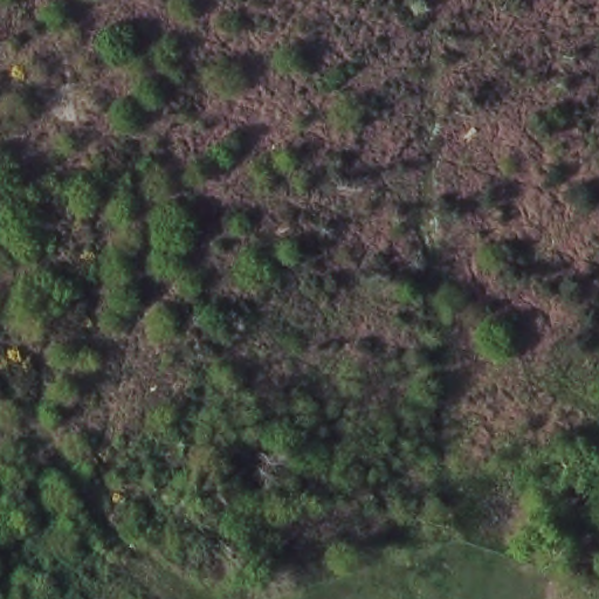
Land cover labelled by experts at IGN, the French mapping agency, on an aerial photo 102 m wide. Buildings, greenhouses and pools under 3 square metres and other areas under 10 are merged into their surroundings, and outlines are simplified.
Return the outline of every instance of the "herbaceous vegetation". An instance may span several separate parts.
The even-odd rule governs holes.
[[[438,545],[426,545],[424,541],[414,545],[388,543],[377,557],[360,555],[346,543],[337,543],[325,550],[328,569],[318,580],[297,583],[290,573],[278,573],[267,590],[255,587],[250,592],[250,599],[562,599],[555,583],[541,569],[519,564],[508,555],[508,529],[480,526],[473,531],[459,531],[456,538],[440,541]]]

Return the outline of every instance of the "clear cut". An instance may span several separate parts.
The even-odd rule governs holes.
[[[16,269],[5,269],[0,274],[0,307],[9,300],[9,290],[19,278],[21,264]]]
[[[363,7],[372,0],[187,0],[194,16],[187,26],[183,26],[166,14],[166,0],[56,0],[63,7],[63,14],[80,28],[73,42],[61,44],[58,37],[49,30],[44,35],[28,33],[30,21],[37,16],[37,7],[51,5],[54,0],[0,0],[0,98],[5,94],[21,96],[30,108],[30,115],[19,124],[14,140],[0,138],[0,157],[12,154],[21,183],[35,187],[37,204],[28,211],[28,236],[33,241],[51,239],[56,243],[54,255],[47,255],[47,250],[40,250],[35,255],[37,264],[58,276],[63,285],[73,290],[73,297],[63,304],[58,316],[44,323],[42,337],[33,346],[26,346],[19,332],[9,335],[0,325],[0,405],[9,402],[19,407],[21,447],[26,452],[28,466],[33,468],[30,482],[26,487],[26,517],[44,531],[54,522],[40,487],[47,473],[58,473],[73,489],[75,498],[84,505],[105,548],[110,548],[119,557],[115,566],[122,564],[131,569],[133,578],[145,580],[150,592],[159,599],[173,599],[178,585],[166,576],[166,571],[159,564],[154,564],[140,550],[131,548],[119,538],[112,524],[112,515],[105,510],[105,498],[110,496],[115,503],[124,498],[138,505],[140,496],[145,494],[143,489],[136,489],[131,484],[129,470],[117,463],[115,447],[122,442],[133,442],[133,435],[145,428],[147,412],[152,407],[171,409],[173,426],[180,426],[190,416],[185,377],[178,367],[171,367],[168,363],[173,351],[183,351],[190,344],[199,325],[192,316],[190,304],[175,295],[175,290],[166,281],[154,278],[150,274],[147,257],[152,211],[143,187],[143,173],[138,171],[140,157],[161,164],[168,178],[173,201],[194,222],[190,234],[190,248],[185,253],[185,267],[197,274],[201,300],[208,307],[215,307],[218,311],[232,311],[241,318],[236,323],[236,330],[229,332],[232,344],[227,346],[215,342],[211,351],[227,367],[243,377],[243,386],[255,395],[257,409],[271,402],[274,388],[278,388],[281,379],[290,372],[309,372],[316,384],[332,386],[337,381],[335,374],[342,358],[351,367],[360,367],[363,391],[358,395],[358,407],[377,405],[384,412],[398,407],[398,400],[405,393],[386,384],[388,353],[398,346],[402,346],[405,353],[416,353],[416,349],[424,346],[424,342],[416,339],[419,328],[414,323],[416,316],[424,316],[426,311],[419,300],[407,304],[386,292],[367,292],[358,283],[363,260],[367,255],[384,253],[384,260],[391,271],[388,278],[412,283],[416,292],[435,292],[438,288],[447,285],[461,295],[461,302],[454,307],[452,332],[440,342],[447,349],[452,349],[452,360],[456,370],[440,372],[433,377],[433,381],[438,384],[438,393],[454,405],[452,414],[461,419],[466,428],[461,442],[452,442],[449,454],[440,456],[433,463],[435,480],[452,482],[456,477],[487,477],[484,461],[491,454],[501,454],[508,461],[519,461],[529,449],[536,449],[550,440],[550,433],[543,426],[548,426],[550,431],[566,433],[566,428],[590,424],[592,419],[590,414],[566,405],[559,395],[552,398],[550,393],[545,393],[541,384],[533,384],[536,374],[545,370],[548,358],[562,356],[555,344],[564,339],[576,339],[585,344],[585,349],[587,353],[599,349],[599,110],[594,112],[592,126],[576,126],[573,110],[576,103],[587,101],[590,96],[599,98],[599,0],[395,0],[400,21],[395,23],[391,19],[367,21],[372,12]],[[215,23],[213,23],[213,19],[215,19],[215,16],[225,16],[225,19],[234,19],[234,21],[236,21],[236,33],[234,33],[234,35],[222,35],[222,33],[218,33],[218,30],[215,30]],[[112,101],[117,101],[119,96],[131,96],[131,89],[124,82],[124,75],[112,70],[101,58],[94,44],[98,28],[112,26],[131,28],[133,54],[140,58],[150,84],[159,94],[157,108],[147,108],[136,119],[131,136],[115,133],[108,122]],[[173,66],[183,70],[178,82],[159,73],[154,63],[152,49],[159,40],[171,42],[175,47]],[[386,80],[398,80],[398,84],[402,84],[412,94],[407,103],[398,101],[395,108],[386,110],[379,122],[363,124],[358,140],[353,140],[349,133],[330,131],[325,112],[339,103],[337,91],[318,94],[300,77],[274,73],[269,54],[276,44],[283,44],[295,56],[300,56],[300,61],[309,70],[316,73],[325,73],[330,68],[339,68],[346,61],[356,61],[358,75],[342,77],[337,82],[337,91],[344,89],[353,103],[363,91],[379,89]],[[82,77],[77,84],[68,84],[68,66],[77,56],[82,56],[89,63],[91,75]],[[234,98],[208,94],[201,82],[199,73],[220,58],[227,58],[243,75],[243,89]],[[491,75],[498,61],[510,63],[517,73],[536,75],[538,82],[531,89],[526,89]],[[447,91],[452,89],[470,94],[477,101],[477,105],[463,112],[456,101],[449,101]],[[555,105],[564,115],[564,122],[552,124],[536,140],[526,129],[526,117],[538,115],[541,110],[550,110]],[[229,164],[220,166],[211,157],[211,145],[222,143],[227,131],[239,136],[239,147],[234,150]],[[68,157],[49,152],[49,143],[58,133],[66,133],[73,140],[73,150]],[[304,194],[297,194],[285,173],[276,168],[269,147],[292,154],[297,168],[307,175]],[[339,178],[344,183],[339,185],[337,194],[328,194],[321,187],[325,178],[325,154],[339,159]],[[246,168],[248,159],[262,166],[271,183],[260,199],[250,190],[250,175]],[[185,166],[190,161],[199,161],[201,171],[206,173],[201,187],[185,183]],[[94,168],[101,164],[105,178],[94,190],[94,208],[87,218],[70,215],[61,199],[42,180],[44,175],[70,180],[80,173],[80,168]],[[94,281],[82,264],[94,255],[103,255],[105,241],[110,246],[122,246],[119,236],[103,220],[108,213],[108,204],[117,190],[117,183],[124,173],[131,178],[131,227],[138,234],[138,246],[124,260],[124,264],[129,269],[138,302],[133,304],[129,316],[122,316],[119,328],[108,337],[98,325],[98,309],[103,304],[103,281]],[[573,183],[585,185],[590,190],[592,208],[587,213],[580,213],[578,208],[564,201],[564,194]],[[440,222],[440,213],[433,208],[435,201],[440,201],[442,197],[447,197],[452,208],[459,211],[459,218],[454,222]],[[402,232],[395,239],[391,239],[384,229],[384,211],[393,208],[402,218]],[[225,225],[222,225],[225,215],[241,215],[241,218],[246,220],[246,227],[243,227],[243,232],[234,236],[234,234],[232,234],[229,229],[225,229]],[[278,241],[292,241],[297,250],[311,255],[314,278],[316,283],[325,276],[335,278],[335,290],[330,300],[321,304],[297,288],[300,281],[290,264],[281,262],[271,269],[264,297],[250,307],[250,311],[246,311],[234,297],[236,288],[227,276],[236,260],[236,253],[243,248],[255,253],[260,248],[260,241],[276,248]],[[508,288],[503,283],[487,281],[487,276],[475,264],[475,250],[484,248],[487,243],[510,246],[515,250],[512,269],[522,276],[536,276],[545,281],[550,285],[550,295],[543,300],[533,300],[519,288]],[[421,269],[412,269],[407,257],[402,257],[400,250],[407,246],[414,246],[424,255]],[[580,321],[573,318],[559,302],[559,283],[564,278],[576,281],[580,302],[594,316],[594,323],[587,335],[580,330]],[[150,342],[143,323],[145,314],[154,302],[161,309],[166,309],[175,321],[175,330],[164,342]],[[491,307],[494,318],[508,328],[512,353],[505,358],[503,365],[491,365],[475,351],[473,332],[484,321],[480,316],[482,307]],[[300,349],[295,358],[295,370],[285,365],[285,349],[278,344],[283,335],[276,325],[264,321],[267,311],[271,309],[283,311],[290,325],[307,332],[314,330],[307,351]],[[68,381],[77,388],[75,400],[68,405],[58,405],[58,421],[54,424],[54,428],[40,435],[37,407],[47,386],[47,353],[51,344],[63,344],[68,351],[91,351],[98,358],[98,367],[91,372],[68,370]],[[23,370],[30,370],[23,398],[19,398],[9,386],[9,381],[14,379],[14,363]],[[89,477],[80,475],[56,449],[68,431],[84,435],[91,449],[94,470]]]
[[[0,599],[9,599],[9,583],[21,557],[26,555],[26,545],[19,538],[19,533],[7,545],[0,543]]]

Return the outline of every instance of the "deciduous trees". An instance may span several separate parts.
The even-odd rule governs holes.
[[[140,58],[133,54],[131,28],[112,26],[98,28],[94,44],[101,58],[112,70],[124,75],[124,82],[131,89],[131,96],[119,96],[117,101],[112,101],[108,122],[115,133],[131,136],[136,119],[147,108],[157,108],[159,94],[150,84]]]
[[[573,183],[564,194],[564,201],[578,208],[580,213],[587,213],[592,208],[590,190],[585,185]]]
[[[89,63],[82,56],[77,56],[68,66],[68,84],[77,84],[82,77],[91,75]]]
[[[73,140],[66,133],[58,133],[49,143],[49,152],[68,157],[73,150]]]
[[[94,208],[94,190],[105,178],[101,164],[94,168],[80,168],[80,173],[70,180],[44,175],[42,180],[61,199],[70,215],[87,218]]]
[[[220,58],[199,73],[201,82],[208,94],[234,98],[243,89],[243,75],[227,58]]]
[[[533,300],[543,300],[550,295],[550,285],[545,281],[536,276],[522,276],[512,269],[515,250],[510,246],[487,243],[484,248],[475,250],[475,264],[487,276],[487,281],[503,283],[508,288],[519,288]]]
[[[28,33],[44,35],[49,30],[58,37],[61,44],[73,42],[80,28],[63,14],[63,7],[56,0],[54,0],[51,5],[37,7],[37,16],[30,21]]]
[[[384,211],[384,229],[391,239],[395,239],[402,232],[402,218],[393,208]]]
[[[236,21],[234,21],[234,19],[225,19],[225,16],[215,16],[215,19],[213,19],[213,23],[215,23],[215,30],[218,30],[218,33],[222,33],[222,35],[234,35],[234,33],[236,33]]]
[[[0,307],[0,325],[9,335],[19,332],[26,346],[33,346],[42,337],[44,323],[58,316],[63,304],[73,297],[73,290],[63,285],[58,276],[37,264],[35,255],[40,250],[47,250],[47,255],[54,255],[56,243],[51,239],[33,241],[28,236],[28,211],[37,204],[35,187],[21,183],[12,154],[0,157],[0,274],[5,269],[16,269],[21,264],[19,278],[9,290],[9,300]]]
[[[599,110],[599,98],[590,96],[587,101],[576,103],[573,110],[576,126],[592,126],[594,112]]]
[[[129,316],[133,304],[138,302],[129,269],[124,264],[124,260],[138,246],[138,234],[131,227],[131,178],[124,173],[117,183],[117,190],[108,204],[108,213],[103,220],[119,236],[122,246],[110,246],[105,241],[103,255],[94,255],[82,264],[94,281],[103,281],[103,304],[98,309],[98,325],[108,337],[119,328],[122,316]]]
[[[183,26],[187,26],[194,16],[187,0],[166,0],[166,14]]]
[[[290,264],[297,257],[297,250],[292,241],[278,241],[276,248],[260,241],[260,248],[255,253],[243,248],[236,253],[236,260],[227,276],[236,288],[234,297],[246,311],[250,311],[250,307],[264,297],[271,269],[281,262]]]
[[[541,110],[538,115],[526,117],[526,129],[536,140],[552,124],[564,122],[564,115],[555,105],[550,110]]]
[[[459,211],[452,208],[447,197],[442,197],[440,201],[435,201],[433,208],[440,213],[440,222],[454,222],[459,218]]]
[[[175,295],[190,304],[192,316],[199,325],[190,344],[183,351],[173,351],[168,363],[171,367],[178,367],[185,377],[190,416],[180,426],[173,426],[171,409],[152,407],[147,412],[145,428],[133,435],[133,442],[122,442],[115,447],[117,463],[129,470],[131,484],[136,489],[143,489],[145,494],[140,496],[138,505],[124,498],[115,503],[110,496],[105,498],[105,510],[112,515],[112,524],[119,538],[131,548],[140,550],[154,564],[159,564],[166,571],[166,576],[178,585],[194,587],[211,599],[250,599],[250,592],[255,587],[267,590],[278,573],[290,573],[297,583],[318,580],[328,569],[325,550],[337,543],[346,543],[360,555],[377,557],[388,543],[414,545],[424,541],[426,545],[438,545],[440,541],[456,538],[459,531],[473,531],[480,526],[508,529],[508,555],[519,564],[541,569],[555,583],[562,599],[599,599],[599,421],[592,419],[590,424],[566,428],[566,433],[550,431],[548,426],[543,426],[550,433],[550,440],[536,449],[529,449],[519,461],[508,461],[501,454],[491,454],[484,461],[487,477],[456,477],[452,482],[435,480],[433,463],[440,456],[449,454],[452,442],[461,442],[466,428],[461,419],[452,414],[454,405],[438,393],[438,384],[433,381],[433,377],[440,372],[456,370],[452,360],[452,349],[447,349],[440,342],[452,332],[454,307],[461,302],[461,295],[447,285],[438,288],[435,292],[416,292],[412,283],[388,278],[391,271],[384,260],[384,253],[367,255],[363,260],[358,283],[367,292],[386,292],[407,304],[419,300],[426,311],[424,316],[416,316],[414,323],[419,328],[416,339],[424,342],[424,346],[416,349],[416,353],[405,353],[402,346],[398,346],[388,353],[386,384],[405,393],[398,400],[398,407],[384,412],[377,405],[358,407],[358,395],[363,391],[360,367],[351,367],[342,358],[335,374],[337,381],[332,386],[316,384],[309,372],[290,372],[281,379],[278,388],[274,388],[271,402],[257,409],[255,395],[243,386],[243,377],[227,367],[211,351],[215,342],[227,346],[232,344],[229,332],[236,330],[236,323],[241,318],[232,311],[218,311],[215,307],[208,307],[201,300],[197,274],[185,267],[185,253],[190,248],[190,234],[194,222],[173,201],[168,206],[152,211],[147,257],[150,274],[154,278],[166,281],[175,290]]]
[[[307,175],[297,168],[292,154],[269,147],[276,168],[285,173],[297,194],[304,194]]]
[[[47,353],[47,386],[37,407],[40,435],[54,428],[54,424],[58,421],[58,405],[68,405],[75,400],[77,388],[68,381],[68,370],[91,372],[98,367],[98,358],[91,351],[68,351],[63,344],[51,344]]]
[[[316,283],[314,278],[300,281],[297,288],[321,304],[330,300],[335,290],[335,278],[325,276]]]
[[[452,89],[447,91],[449,101],[456,101],[463,112],[477,105],[477,101],[470,94]]]
[[[56,449],[80,475],[89,477],[94,470],[91,449],[84,435],[68,431]]]
[[[295,358],[300,349],[300,342],[295,337],[283,335],[278,344],[285,349],[285,365],[295,370]]]
[[[201,187],[206,173],[201,171],[199,161],[190,161],[185,166],[185,183]]]
[[[505,358],[512,353],[508,328],[494,318],[491,307],[482,307],[480,316],[484,321],[473,332],[475,351],[491,365],[503,365]]]
[[[222,143],[211,145],[211,157],[220,166],[229,164],[234,150],[239,147],[239,136],[227,131]]]
[[[559,302],[573,318],[580,321],[580,330],[587,335],[594,323],[594,316],[580,302],[576,281],[564,278],[559,283]]]
[[[585,349],[585,344],[576,339],[564,339],[555,344],[562,356],[576,360]]]
[[[23,398],[30,370],[23,370],[14,363],[14,379],[9,381],[9,386],[19,398]]]
[[[398,101],[407,103],[412,94],[402,84],[398,84],[398,80],[386,80],[379,89],[388,98]]]
[[[21,96],[5,94],[0,98],[0,138],[14,140],[19,124],[30,115],[30,108]]]
[[[421,269],[424,255],[414,246],[407,246],[400,250],[402,257],[407,257],[412,269]]]
[[[316,73],[309,70],[300,61],[300,56],[295,56],[283,44],[276,44],[269,54],[274,73],[300,77],[318,94],[337,91],[337,82],[342,77],[358,75],[356,61],[346,61],[339,68],[330,68],[325,73]]]
[[[175,330],[175,321],[166,309],[161,309],[154,302],[145,314],[143,323],[150,342],[164,342]]]
[[[225,215],[222,225],[225,225],[225,229],[229,229],[232,234],[234,234],[234,236],[243,232],[243,227],[246,227],[246,220],[241,218],[241,215]]]
[[[356,115],[353,103],[344,89],[337,91],[339,103],[325,112],[330,131],[349,133],[353,140],[358,140],[363,124]]]
[[[262,166],[248,159],[246,168],[250,175],[250,190],[260,199],[271,183]]]
[[[536,75],[517,73],[510,63],[498,61],[491,75],[526,89],[531,89],[538,82]]]
[[[87,573],[89,566],[96,566],[98,576],[108,583],[112,578],[115,566],[119,557],[110,548],[105,548],[84,505],[75,498],[73,489],[58,473],[47,473],[40,487],[54,522],[44,531],[26,517],[26,487],[30,482],[33,468],[28,466],[26,452],[21,447],[19,407],[9,402],[0,405],[0,543],[7,545],[19,533],[19,538],[26,545],[26,555],[21,557],[9,583],[9,599],[82,599],[87,587],[77,578]]]
[[[344,183],[339,178],[339,159],[325,154],[325,178],[321,187],[328,194],[337,194],[339,185]]]
[[[178,82],[183,70],[173,66],[175,47],[171,42],[159,40],[152,49],[154,63],[159,73]]]

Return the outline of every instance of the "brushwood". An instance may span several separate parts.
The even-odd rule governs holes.
[[[115,566],[112,578],[108,583],[98,576],[96,566],[89,566],[87,573],[77,578],[87,587],[82,599],[159,599],[150,592],[145,580],[133,578],[131,569],[122,564]]]
[[[395,108],[398,101],[388,98],[379,89],[363,91],[353,103],[356,115],[363,124],[379,122],[386,110]]]
[[[297,257],[290,264],[300,281],[314,278],[311,255],[297,250]]]
[[[152,211],[168,206],[173,201],[168,178],[161,164],[140,157],[138,171],[143,173],[143,187]]]
[[[367,21],[391,19],[395,23],[400,21],[395,0],[372,0],[363,7],[372,12]]]
[[[283,335],[295,337],[300,342],[300,349],[307,351],[314,330],[307,332],[290,325],[283,311],[271,309],[267,311],[264,321],[276,325]]]
[[[599,421],[599,349],[587,353],[585,349],[576,360],[562,356],[548,358],[545,370],[536,374],[533,384],[541,384],[545,393],[550,393],[552,398],[559,395],[566,405],[590,414],[592,419]]]
[[[178,585],[173,599],[211,599],[194,587]]]

